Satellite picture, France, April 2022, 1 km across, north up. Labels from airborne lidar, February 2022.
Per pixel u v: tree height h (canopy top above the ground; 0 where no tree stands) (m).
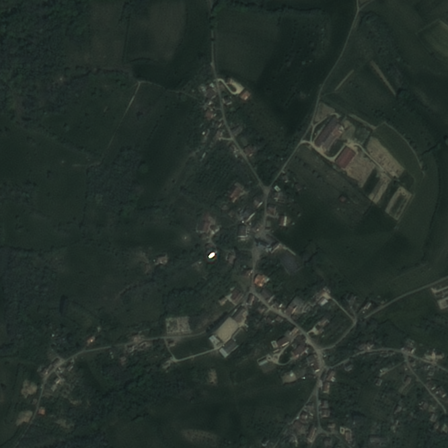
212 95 0
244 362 0
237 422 0
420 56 0
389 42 10
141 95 0
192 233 0
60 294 0
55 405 7
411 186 0
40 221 0
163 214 16
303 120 0
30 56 23
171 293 7
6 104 24
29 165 0
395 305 0
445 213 0
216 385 0
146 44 0
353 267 0
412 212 0
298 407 0
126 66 0
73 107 0
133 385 24
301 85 0
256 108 0
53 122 0
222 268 13
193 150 8
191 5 0
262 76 0
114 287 0
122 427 0
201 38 0
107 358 0
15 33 28
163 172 0
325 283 13
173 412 0
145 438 0
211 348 0
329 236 0
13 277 23
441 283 0
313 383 0
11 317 21
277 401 0
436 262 0
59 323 0
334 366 0
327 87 0
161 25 0
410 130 0
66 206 0
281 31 0
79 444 23
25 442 19
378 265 0
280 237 0
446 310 0
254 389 0
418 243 0
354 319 0
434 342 0
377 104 0
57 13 15
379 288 0
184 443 0
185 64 0
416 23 0
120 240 0
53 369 0
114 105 0
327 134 0
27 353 6
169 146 0
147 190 0
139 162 17
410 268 0
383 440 15
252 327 6
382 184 0
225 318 14
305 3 0
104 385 0
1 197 21
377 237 0
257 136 12
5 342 0
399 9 0
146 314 0
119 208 19
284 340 0
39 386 12
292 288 0
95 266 0
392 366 14
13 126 0
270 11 10
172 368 9
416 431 0
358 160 0
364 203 0
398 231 0
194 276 0
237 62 0
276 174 9
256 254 0
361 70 0
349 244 0
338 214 0
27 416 0
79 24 21
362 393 0
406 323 0
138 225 0
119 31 0
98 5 0
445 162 0
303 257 12
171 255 0
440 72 0
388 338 9
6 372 0
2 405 0
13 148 0
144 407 9
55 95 30
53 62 18
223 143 12
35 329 6
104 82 0
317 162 0
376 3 0
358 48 0
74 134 0
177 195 0
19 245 0
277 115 0
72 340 20
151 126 0
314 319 7
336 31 0
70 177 0
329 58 0
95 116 0
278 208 0
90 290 0
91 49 0
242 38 0
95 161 0
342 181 0
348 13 0
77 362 0
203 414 0
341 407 6
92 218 0
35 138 0
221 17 0
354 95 0
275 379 0
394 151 0
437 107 0
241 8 14
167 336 0
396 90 0
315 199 0
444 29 0
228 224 0
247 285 0
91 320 0
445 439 22
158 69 0
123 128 0
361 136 0
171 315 14
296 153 0
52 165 0
